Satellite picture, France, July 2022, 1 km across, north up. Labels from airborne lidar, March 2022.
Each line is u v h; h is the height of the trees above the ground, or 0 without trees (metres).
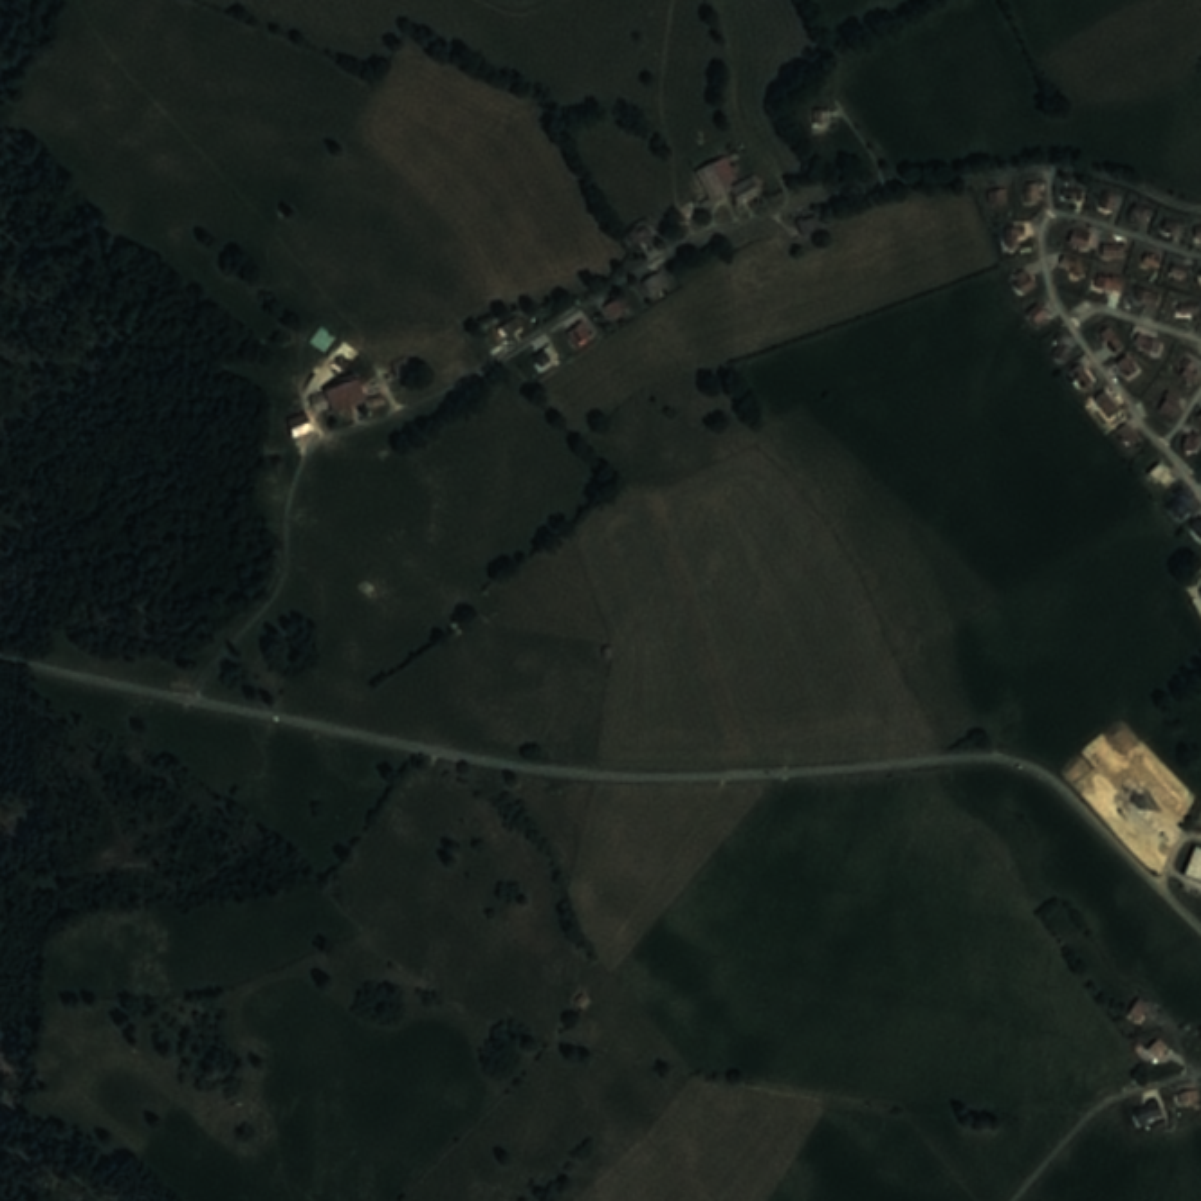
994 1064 0
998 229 0
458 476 0
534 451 0
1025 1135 0
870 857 0
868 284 0
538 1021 0
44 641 21
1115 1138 0
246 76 0
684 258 16
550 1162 0
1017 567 0
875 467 0
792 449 0
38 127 0
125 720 0
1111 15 0
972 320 0
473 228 0
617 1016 0
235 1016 0
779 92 19
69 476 19
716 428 16
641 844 0
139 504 14
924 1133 0
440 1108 0
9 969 7
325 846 0
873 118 0
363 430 0
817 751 0
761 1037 0
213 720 0
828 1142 0
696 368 0
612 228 19
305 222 0
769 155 0
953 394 0
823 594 0
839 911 0
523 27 0
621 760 0
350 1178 0
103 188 0
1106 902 0
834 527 0
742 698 0
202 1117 0
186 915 13
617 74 0
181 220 0
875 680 0
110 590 15
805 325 0
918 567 0
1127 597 0
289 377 0
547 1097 0
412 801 0
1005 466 0
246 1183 0
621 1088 0
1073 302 0
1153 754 0
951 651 0
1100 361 0
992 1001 0
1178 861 0
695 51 0
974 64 0
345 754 0
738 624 0
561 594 0
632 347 0
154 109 0
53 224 28
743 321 0
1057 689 0
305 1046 0
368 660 0
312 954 0
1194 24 0
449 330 0
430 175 0
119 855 0
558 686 0
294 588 0
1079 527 0
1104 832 0
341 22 0
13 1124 34
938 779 0
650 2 0
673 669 0
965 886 0
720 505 0
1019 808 0
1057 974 0
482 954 0
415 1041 0
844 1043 0
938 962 0
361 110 0
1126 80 0
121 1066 0
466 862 0
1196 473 0
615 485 22
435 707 0
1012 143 0
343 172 0
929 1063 0
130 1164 24
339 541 0
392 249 0
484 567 0
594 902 0
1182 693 21
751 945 0
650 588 0
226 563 6
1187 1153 0
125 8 0
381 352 0
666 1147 0
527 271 0
